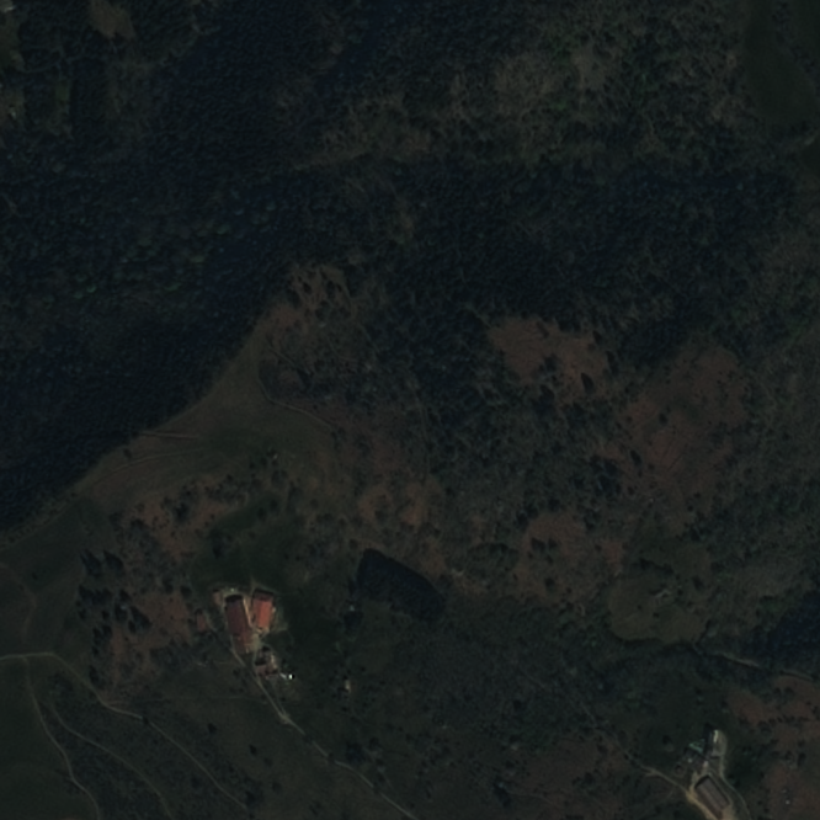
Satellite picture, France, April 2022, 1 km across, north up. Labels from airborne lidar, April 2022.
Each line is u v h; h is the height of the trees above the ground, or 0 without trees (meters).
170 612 0
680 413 0
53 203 29
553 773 0
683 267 23
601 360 0
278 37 24
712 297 26
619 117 24
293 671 7
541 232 25
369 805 0
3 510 18
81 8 34
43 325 17
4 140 0
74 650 0
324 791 0
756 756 7
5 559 0
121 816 0
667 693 6
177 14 28
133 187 22
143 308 15
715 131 13
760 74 0
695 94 12
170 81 30
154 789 0
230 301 12
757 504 22
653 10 15
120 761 0
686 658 26
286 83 23
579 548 0
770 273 12
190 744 0
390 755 0
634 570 10
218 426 0
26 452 18
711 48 17
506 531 7
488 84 22
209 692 0
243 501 14
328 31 17
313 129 20
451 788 0
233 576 0
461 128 17
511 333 0
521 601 6
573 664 25
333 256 16
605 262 23
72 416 18
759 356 25
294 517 14
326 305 13
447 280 27
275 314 0
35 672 0
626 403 8
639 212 16
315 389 8
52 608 0
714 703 0
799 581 21
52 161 31
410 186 16
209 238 9
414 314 33
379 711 0
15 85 27
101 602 14
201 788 18
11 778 0
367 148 11
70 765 0
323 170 19
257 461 0
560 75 15
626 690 24
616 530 10
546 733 15
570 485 6
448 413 11
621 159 24
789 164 19
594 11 21
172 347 15
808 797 0
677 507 0
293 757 0
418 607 29
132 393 18
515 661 20
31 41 32
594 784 20
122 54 27
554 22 14
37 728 0
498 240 31
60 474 21
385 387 18
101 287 11
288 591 0
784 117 0
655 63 27
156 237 18
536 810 0
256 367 0
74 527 0
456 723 16
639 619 0
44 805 0
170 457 0
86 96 32
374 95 11
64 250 31
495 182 28
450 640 23
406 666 6
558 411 16
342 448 0
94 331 17
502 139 20
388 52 16
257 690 0
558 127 26
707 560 0
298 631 0
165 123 25
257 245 16
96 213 28
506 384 7
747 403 13
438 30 19
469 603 8
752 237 20
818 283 17
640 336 31
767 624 23
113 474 0
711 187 21
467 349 10
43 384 18
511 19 20
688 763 0
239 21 25
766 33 0
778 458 11
